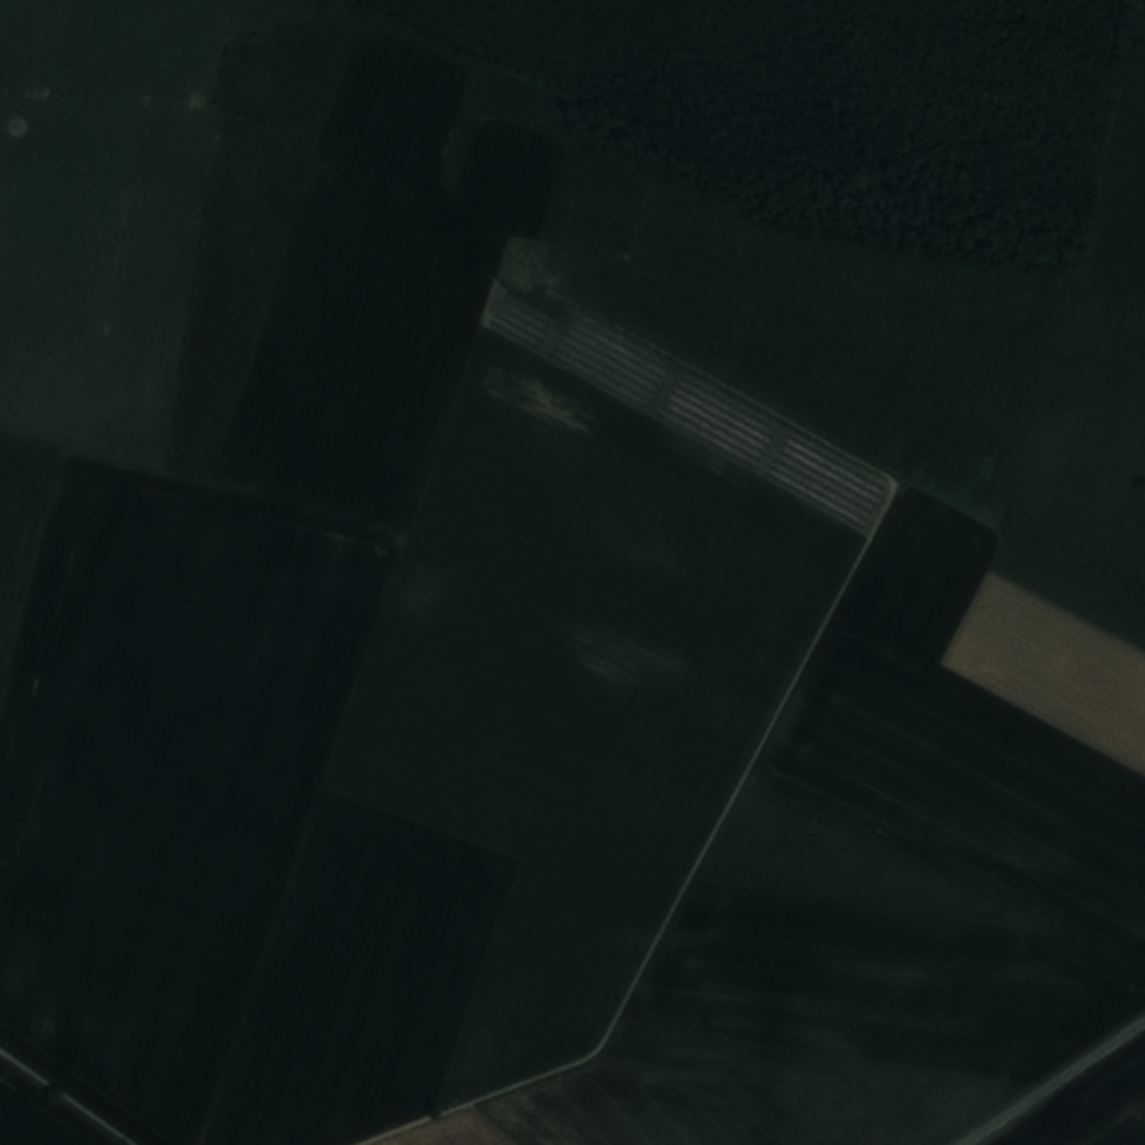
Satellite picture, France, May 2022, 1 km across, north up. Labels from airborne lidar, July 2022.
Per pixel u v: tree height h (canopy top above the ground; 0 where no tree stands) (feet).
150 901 0
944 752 0
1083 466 0
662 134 74
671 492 0
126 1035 0
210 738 0
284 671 0
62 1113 0
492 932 0
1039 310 0
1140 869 0
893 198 84
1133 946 0
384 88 0
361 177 0
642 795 0
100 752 0
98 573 0
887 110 54
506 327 0
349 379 0
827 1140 0
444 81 0
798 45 57
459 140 0
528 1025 0
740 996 0
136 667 0
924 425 0
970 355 0
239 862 0
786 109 75
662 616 0
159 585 0
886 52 63
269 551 0
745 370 0
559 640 0
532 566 0
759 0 58
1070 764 0
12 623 0
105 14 0
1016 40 66
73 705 0
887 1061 0
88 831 0
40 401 0
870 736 0
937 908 0
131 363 0
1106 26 60
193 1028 0
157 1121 0
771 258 0
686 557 0
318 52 0
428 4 63
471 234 0
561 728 0
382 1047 0
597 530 0
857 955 0
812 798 0
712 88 71
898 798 0
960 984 0
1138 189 0
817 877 0
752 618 0
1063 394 0
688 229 0
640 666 0
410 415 0
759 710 0
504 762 0
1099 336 0
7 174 0
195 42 0
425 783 0
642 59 72
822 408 0
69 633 0
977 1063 0
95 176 0
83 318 0
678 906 0
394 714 0
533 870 0
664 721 0
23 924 0
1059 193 65
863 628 0
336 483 0
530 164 0
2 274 0
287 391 0
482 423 0
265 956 0
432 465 0
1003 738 0
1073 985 0
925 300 0
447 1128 0
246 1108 0
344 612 0
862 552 0
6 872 0
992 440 0
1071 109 61
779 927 0
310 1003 0
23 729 0
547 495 0
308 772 0
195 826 0
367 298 0
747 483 0
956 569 0
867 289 0
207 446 0
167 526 0
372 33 0
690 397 0
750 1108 0
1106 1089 0
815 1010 0
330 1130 0
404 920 0
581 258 0
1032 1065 0
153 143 0
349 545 0
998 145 68
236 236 0
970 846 0
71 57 0
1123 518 0
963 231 88
